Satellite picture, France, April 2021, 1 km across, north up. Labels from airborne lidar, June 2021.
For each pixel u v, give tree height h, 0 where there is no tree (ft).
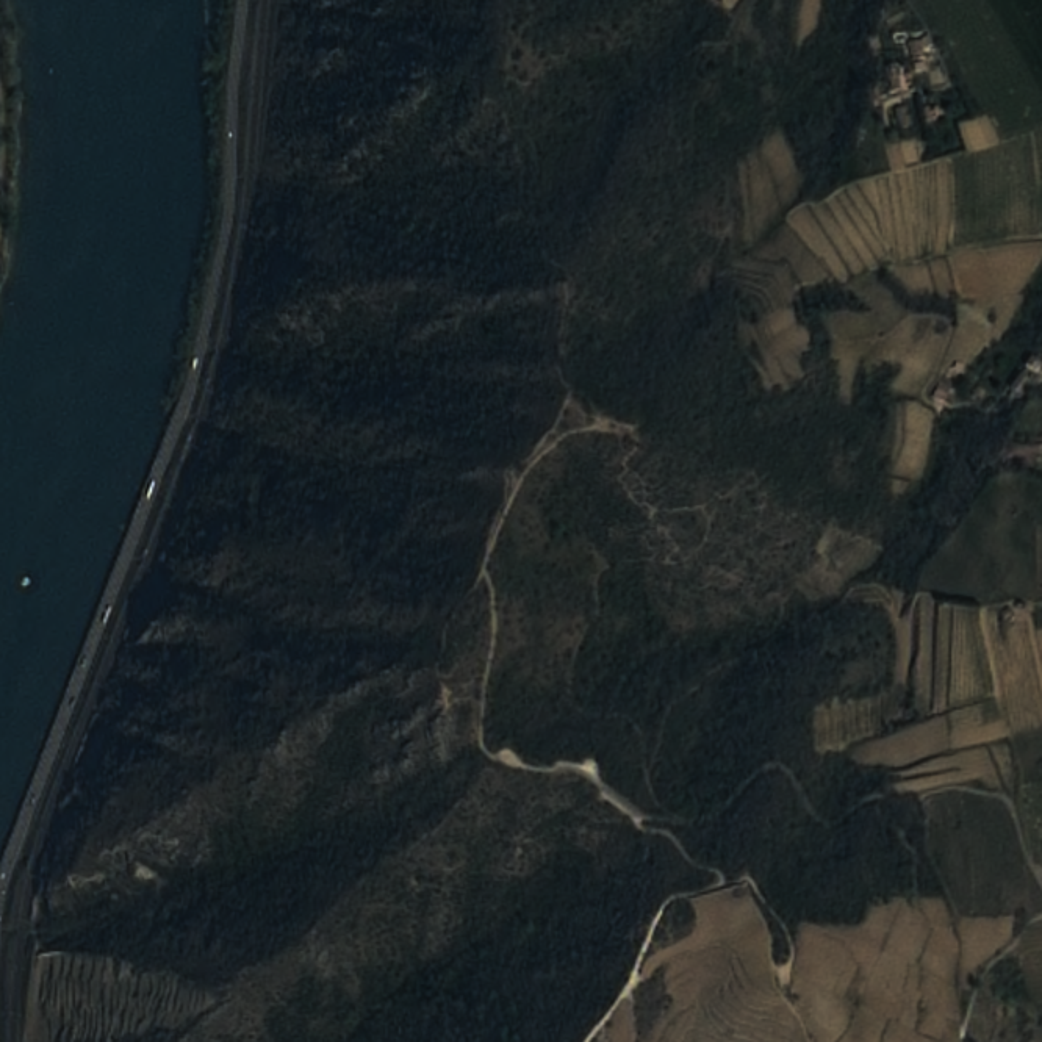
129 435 0
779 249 0
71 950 25
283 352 25
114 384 0
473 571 0
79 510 0
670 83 32
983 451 56
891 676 21
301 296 22
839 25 60
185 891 32
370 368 40
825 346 21
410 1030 20
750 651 42
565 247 19
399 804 20
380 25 23
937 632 0
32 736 0
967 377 27
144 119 0
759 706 56
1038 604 0
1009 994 38
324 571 0
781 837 32
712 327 18
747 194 0
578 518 34
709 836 24
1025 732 0
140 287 0
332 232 27
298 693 23
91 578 0
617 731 38
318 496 22
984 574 0
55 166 0
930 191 0
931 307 26
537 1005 45
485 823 21
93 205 0
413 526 28
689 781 28
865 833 25
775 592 26
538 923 22
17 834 0
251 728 23
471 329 33
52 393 0
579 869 35
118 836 0
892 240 0
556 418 0
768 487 25
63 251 0
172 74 0
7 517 0
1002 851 0
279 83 0
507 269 22
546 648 32
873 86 46
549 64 19
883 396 65
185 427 0
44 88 0
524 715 36
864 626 37
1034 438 22
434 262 22
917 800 42
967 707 0
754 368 22
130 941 22
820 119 49
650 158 25
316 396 21
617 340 29
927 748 0
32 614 0
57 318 0
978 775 0
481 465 0
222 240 0
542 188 34
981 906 0
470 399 22
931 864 44
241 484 29
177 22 0
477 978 43
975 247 0
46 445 0
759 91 29
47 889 0
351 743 23
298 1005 23
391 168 23
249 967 0
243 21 0
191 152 0
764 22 31
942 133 23
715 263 0
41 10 0
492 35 21
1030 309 44
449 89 19
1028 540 0
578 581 45
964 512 32
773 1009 0
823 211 0
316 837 20
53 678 0
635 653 29
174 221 0
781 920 26
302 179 20
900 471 0
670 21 28
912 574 27
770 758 28
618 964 21
